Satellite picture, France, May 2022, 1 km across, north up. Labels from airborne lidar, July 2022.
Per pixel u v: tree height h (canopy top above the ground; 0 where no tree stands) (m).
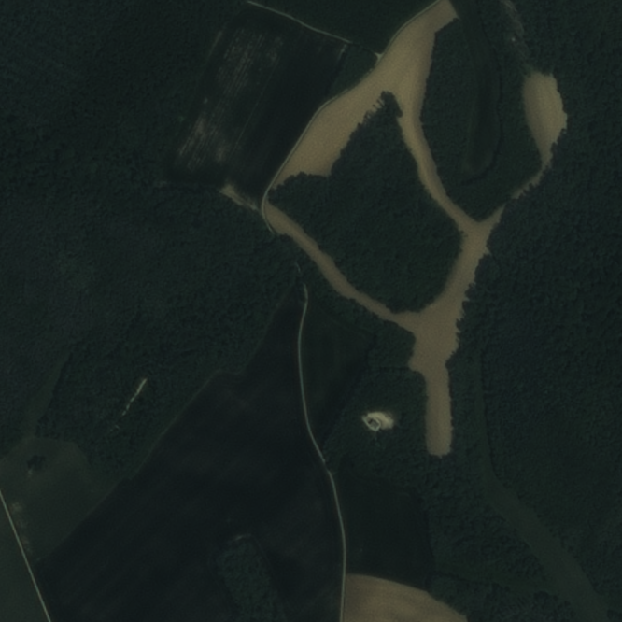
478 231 0
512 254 30
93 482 0
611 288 27
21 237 18
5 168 17
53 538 0
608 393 17
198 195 20
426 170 0
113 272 13
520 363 17
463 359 24
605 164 22
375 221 20
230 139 0
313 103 0
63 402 18
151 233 17
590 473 16
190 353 19
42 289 14
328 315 0
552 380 18
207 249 23
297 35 0
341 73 17
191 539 0
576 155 26
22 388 16
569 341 17
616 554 25
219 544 0
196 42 24
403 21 8
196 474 0
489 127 0
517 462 17
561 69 31
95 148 26
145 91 19
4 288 14
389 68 0
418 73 0
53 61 27
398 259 21
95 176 25
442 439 0
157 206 23
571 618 17
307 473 0
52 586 0
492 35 18
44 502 0
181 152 0
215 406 0
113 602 0
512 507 0
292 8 16
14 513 0
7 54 23
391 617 0
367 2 15
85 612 0
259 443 0
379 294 21
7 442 12
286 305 0
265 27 0
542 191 24
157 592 0
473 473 27
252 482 0
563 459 16
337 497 0
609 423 12
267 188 0
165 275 19
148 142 25
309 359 0
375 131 28
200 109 0
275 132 0
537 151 9
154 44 16
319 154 0
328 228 21
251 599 20
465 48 12
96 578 0
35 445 0
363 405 19
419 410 18
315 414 0
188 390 16
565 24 26
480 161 0
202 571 0
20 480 0
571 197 23
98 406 24
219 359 20
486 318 24
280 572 0
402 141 12
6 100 23
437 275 17
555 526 19
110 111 22
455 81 17
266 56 0
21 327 15
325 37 0
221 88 0
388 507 0
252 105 0
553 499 17
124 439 11
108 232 12
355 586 0
